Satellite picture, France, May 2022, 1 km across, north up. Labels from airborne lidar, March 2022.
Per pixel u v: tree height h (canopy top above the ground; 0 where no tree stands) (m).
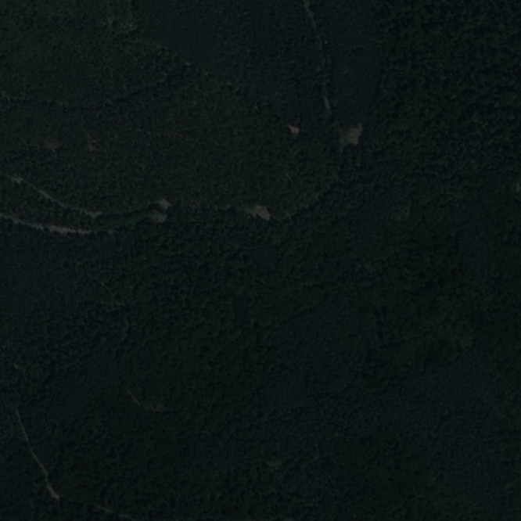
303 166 27
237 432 22
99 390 19
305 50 27
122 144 25
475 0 32
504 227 14
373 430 28
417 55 33
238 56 16
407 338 14
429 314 27
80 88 22
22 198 26
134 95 23
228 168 21
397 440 27
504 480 28
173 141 27
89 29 17
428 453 31
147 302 13
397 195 23
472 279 22
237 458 28
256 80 19
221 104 25
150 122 23
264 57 20
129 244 19
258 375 27
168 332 23
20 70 21
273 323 24
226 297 23
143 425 20
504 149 31
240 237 20
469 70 31
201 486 20
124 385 18
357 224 25
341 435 24
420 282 6
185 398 26
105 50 22
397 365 22
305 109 26
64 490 16
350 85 27
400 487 27
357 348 28
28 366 21
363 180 16
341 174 25
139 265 27
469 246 27
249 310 18
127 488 13
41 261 24
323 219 21
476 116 27
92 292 23
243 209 20
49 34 15
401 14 7
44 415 23
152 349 15
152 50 20
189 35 18
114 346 17
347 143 0
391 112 9
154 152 27
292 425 31
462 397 30
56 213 16
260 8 30
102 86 24
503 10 32
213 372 23
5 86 24
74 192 23
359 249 22
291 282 20
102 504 26
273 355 22
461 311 27
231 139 24
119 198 22
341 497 24
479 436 29
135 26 10
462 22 38
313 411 30
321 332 30
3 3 19
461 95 34
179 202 15
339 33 28
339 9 23
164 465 27
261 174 25
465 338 24
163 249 30
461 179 31
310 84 19
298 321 30
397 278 30
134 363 16
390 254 25
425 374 30
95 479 10
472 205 26
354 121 25
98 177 23
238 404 18
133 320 21
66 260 23
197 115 24
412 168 16
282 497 14
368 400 30
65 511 16
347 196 23
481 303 17
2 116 26
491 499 34
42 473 9
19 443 24
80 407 16
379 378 16
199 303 26
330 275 14
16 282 25
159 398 12
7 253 23
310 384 23
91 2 18
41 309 30
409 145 22
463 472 34
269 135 30
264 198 19
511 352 22
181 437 12
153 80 23
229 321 22
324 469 25
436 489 20
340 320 24
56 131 20
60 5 18
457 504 26
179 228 28
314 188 24
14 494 25
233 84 19
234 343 24
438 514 25
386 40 21
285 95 19
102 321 26
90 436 13
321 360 31
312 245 22
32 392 13
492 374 28
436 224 28
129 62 21
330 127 26
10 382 25
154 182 27
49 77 22
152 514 24
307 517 21
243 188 25
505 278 33
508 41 34
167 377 12
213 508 10
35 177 24
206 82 22
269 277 19
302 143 31
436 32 17
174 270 29
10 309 28
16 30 19
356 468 31
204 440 28
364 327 26
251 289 28
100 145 24
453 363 26
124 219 25
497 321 27
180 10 17
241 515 11
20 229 23
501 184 21
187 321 23
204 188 22
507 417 23
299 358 28
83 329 29
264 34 27
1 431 21
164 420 15
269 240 23
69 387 18
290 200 26
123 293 20
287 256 16
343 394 27
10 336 26
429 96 30
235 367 19
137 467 19
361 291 16
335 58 25
